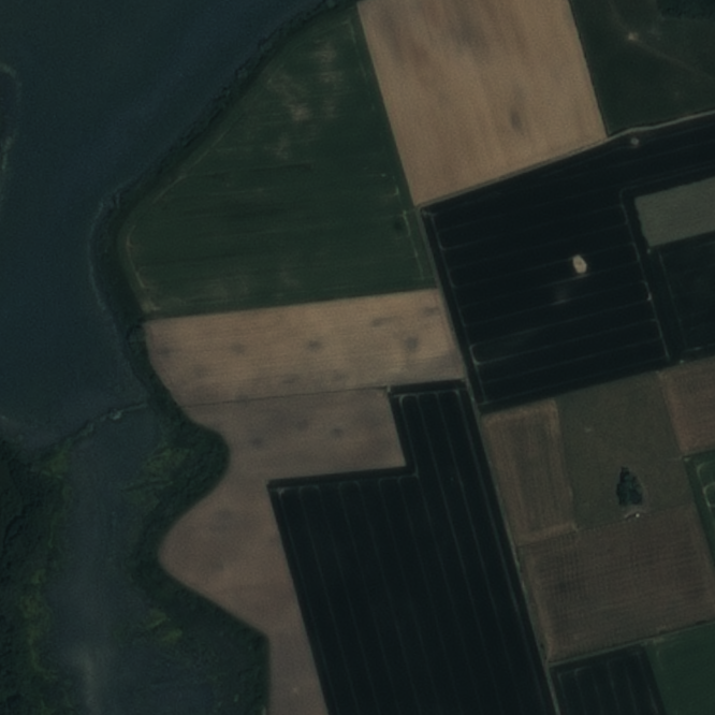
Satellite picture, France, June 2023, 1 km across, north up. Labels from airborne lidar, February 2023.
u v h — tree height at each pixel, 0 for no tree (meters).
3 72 0
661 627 0
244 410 0
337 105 0
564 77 0
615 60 0
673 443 0
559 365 0
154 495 0
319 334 0
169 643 0
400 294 0
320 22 0
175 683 0
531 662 0
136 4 0
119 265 0
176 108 0
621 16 0
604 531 0
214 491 0
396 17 0
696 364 0
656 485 0
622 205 0
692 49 0
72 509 0
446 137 0
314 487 0
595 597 0
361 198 0
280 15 0
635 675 0
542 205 0
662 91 0
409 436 0
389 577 0
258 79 0
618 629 0
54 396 0
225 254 0
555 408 0
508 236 0
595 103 0
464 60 0
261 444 0
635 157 0
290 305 0
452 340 0
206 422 0
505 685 0
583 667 0
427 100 0
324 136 0
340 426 0
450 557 0
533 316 0
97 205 0
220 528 0
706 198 0
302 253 0
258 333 0
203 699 0
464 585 0
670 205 0
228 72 0
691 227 0
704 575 0
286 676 0
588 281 0
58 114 0
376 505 0
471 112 0
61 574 0
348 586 0
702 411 0
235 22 0
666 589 0
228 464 0
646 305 0
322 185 0
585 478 0
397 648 0
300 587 0
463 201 0
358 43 0
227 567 0
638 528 0
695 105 0
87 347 0
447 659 0
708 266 0
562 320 0
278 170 0
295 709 0
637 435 0
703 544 0
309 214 0
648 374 0
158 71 0
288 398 0
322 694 0
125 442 0
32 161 0
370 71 0
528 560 0
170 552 0
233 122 0
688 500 0
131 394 0
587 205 0
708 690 0
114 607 0
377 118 0
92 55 0
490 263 0
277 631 0
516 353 0
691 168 0
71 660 0
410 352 0
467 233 0
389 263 0
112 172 0
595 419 0
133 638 0
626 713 0
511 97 0
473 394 0
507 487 0
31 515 15
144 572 0
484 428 0
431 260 0
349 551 0
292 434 0
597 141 0
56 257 0
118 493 0
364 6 0
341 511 0
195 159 0
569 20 0
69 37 0
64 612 0
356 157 0
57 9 0
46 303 0
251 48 0
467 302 0
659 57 0
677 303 0
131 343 13
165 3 0
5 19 0
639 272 0
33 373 0
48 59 0
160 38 0
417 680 0
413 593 0
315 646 0
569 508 0
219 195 0
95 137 0
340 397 0
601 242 0
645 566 0
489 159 0
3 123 0
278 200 0
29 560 6
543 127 0
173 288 0
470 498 0
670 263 0
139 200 0
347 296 0
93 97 0
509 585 0
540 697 0
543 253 0
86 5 0
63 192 0
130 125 0
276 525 0
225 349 0
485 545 0
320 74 0
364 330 0
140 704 0
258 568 0
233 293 0
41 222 0
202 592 0
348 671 0
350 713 0
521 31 0
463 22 0
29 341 0
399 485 0
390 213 0
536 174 0
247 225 0
